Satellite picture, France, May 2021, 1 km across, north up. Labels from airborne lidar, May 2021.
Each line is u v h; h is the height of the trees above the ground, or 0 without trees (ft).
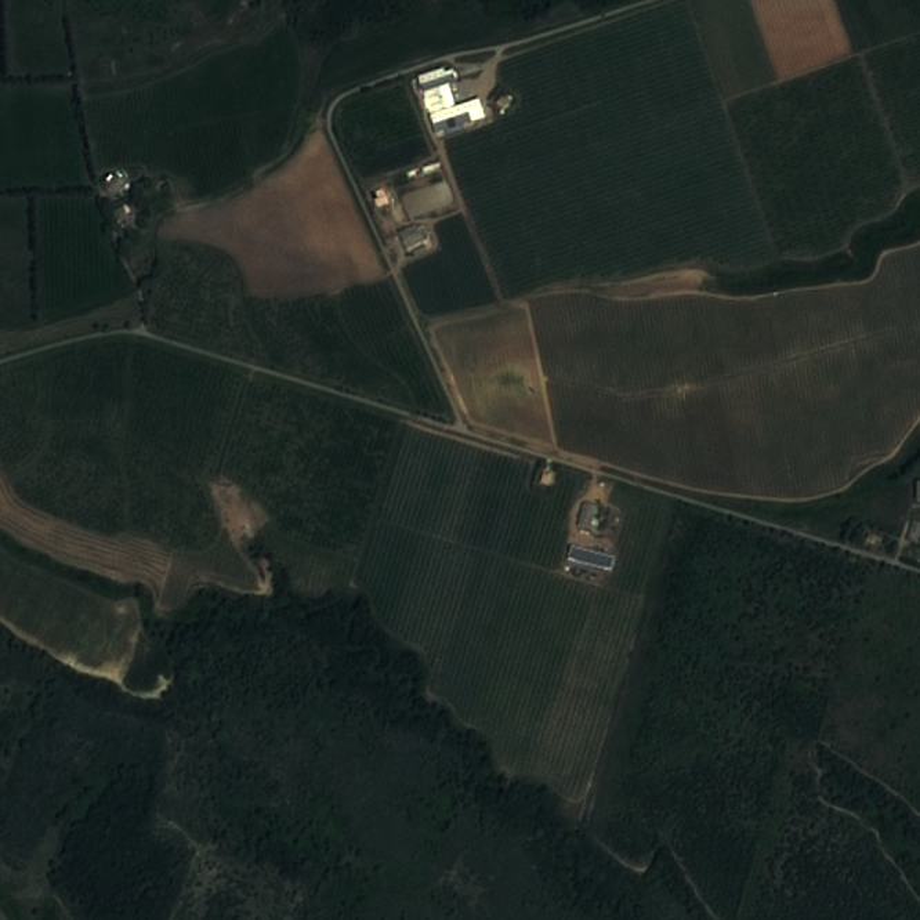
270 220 0
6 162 0
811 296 0
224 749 34
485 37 0
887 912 19
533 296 0
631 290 0
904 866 18
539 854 22
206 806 24
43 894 0
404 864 0
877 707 0
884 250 0
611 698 0
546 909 23
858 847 18
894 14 0
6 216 0
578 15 0
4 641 22
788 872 20
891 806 34
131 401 0
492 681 0
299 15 31
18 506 0
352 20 33
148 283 45
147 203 40
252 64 0
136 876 36
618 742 0
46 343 0
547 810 46
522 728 0
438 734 44
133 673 0
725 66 0
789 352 0
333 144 0
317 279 0
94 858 20
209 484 0
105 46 0
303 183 0
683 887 26
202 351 0
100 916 23
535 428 0
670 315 0
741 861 19
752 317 0
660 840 22
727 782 19
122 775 34
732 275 0
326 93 0
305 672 22
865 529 28
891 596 0
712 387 0
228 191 0
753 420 0
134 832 25
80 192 57
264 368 0
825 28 0
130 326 28
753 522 24
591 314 0
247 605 35
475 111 0
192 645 34
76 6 0
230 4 0
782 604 21
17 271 0
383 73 0
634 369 0
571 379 0
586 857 20
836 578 19
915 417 0
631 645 0
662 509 0
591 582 0
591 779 0
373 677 43
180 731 25
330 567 0
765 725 19
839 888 19
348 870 33
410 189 0
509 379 0
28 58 0
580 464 0
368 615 35
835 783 30
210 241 0
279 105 0
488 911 0
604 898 36
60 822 30
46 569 0
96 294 0
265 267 0
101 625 0
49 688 27
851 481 0
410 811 26
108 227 35
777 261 0
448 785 25
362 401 0
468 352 0
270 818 29
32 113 0
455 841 0
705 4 0
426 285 0
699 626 20
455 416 0
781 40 0
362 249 0
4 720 26
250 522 0
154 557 0
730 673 25
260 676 22
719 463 0
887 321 0
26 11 0
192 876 0
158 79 0
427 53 0
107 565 0
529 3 36
